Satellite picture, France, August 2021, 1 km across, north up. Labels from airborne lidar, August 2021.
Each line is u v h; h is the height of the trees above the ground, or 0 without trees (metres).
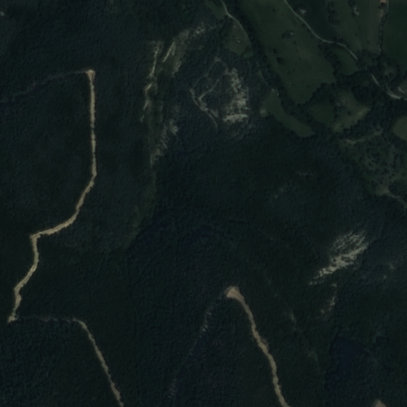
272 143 18
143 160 19
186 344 21
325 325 14
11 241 22
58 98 16
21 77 22
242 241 18
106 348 17
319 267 12
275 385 16
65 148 15
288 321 10
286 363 16
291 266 18
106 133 14
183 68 9
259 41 21
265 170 18
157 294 19
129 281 23
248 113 7
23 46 23
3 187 18
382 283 6
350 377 9
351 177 16
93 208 16
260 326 12
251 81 11
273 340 16
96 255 22
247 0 0
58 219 15
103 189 16
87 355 22
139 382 30
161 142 8
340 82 13
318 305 14
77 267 19
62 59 20
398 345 26
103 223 17
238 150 15
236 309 13
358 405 23
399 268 8
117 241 16
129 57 12
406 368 20
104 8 12
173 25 16
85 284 19
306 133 0
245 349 16
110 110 17
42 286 23
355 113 0
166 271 17
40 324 22
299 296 23
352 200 15
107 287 16
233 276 12
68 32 26
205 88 7
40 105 18
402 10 0
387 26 0
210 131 11
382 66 19
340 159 19
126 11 12
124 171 16
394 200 17
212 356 20
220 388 18
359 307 18
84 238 16
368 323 15
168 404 24
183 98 10
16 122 21
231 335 15
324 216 15
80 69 17
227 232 16
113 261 13
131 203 16
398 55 0
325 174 17
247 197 15
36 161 17
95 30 18
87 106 16
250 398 16
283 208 12
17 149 17
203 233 18
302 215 13
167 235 18
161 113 11
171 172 22
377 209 18
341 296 15
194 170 25
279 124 19
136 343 24
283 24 0
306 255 19
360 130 7
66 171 16
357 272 13
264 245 22
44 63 21
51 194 12
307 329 15
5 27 18
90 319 19
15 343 28
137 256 15
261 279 16
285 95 13
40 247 16
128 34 17
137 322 17
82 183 12
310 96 0
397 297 16
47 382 17
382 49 9
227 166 17
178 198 19
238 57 10
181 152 6
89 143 13
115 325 20
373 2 0
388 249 12
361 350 14
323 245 14
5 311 20
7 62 28
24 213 18
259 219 18
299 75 0
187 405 28
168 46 9
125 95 13
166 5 19
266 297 15
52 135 17
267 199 13
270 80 20
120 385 25
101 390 25
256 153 15
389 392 18
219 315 17
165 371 23
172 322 18
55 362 20
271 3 0
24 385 26
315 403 16
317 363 26
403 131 0
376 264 10
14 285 24
